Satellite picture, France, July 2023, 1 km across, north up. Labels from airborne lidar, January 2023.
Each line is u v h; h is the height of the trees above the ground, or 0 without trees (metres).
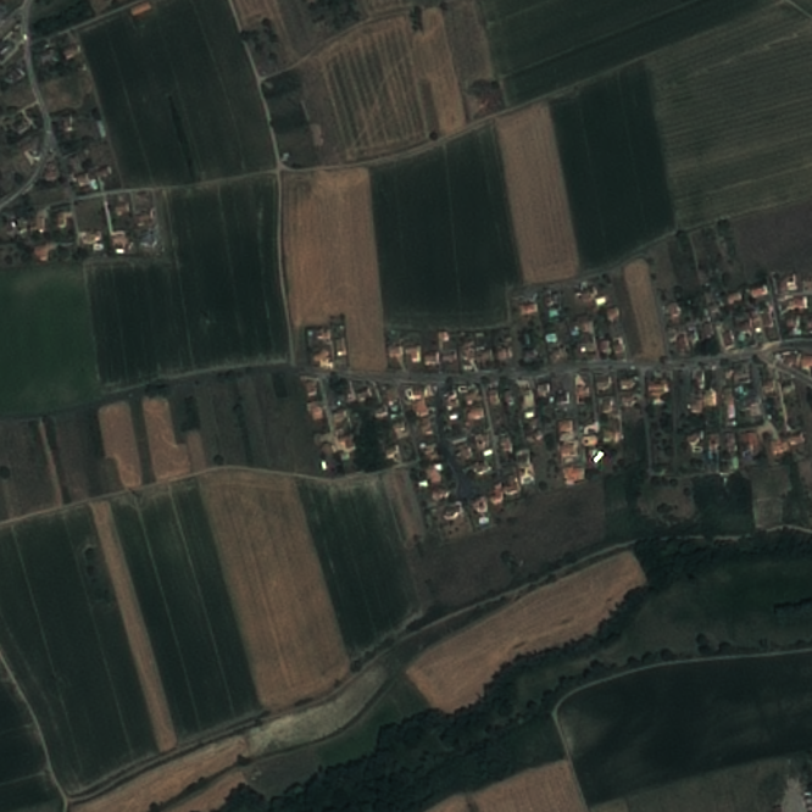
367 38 0
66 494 0
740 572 0
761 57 0
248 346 0
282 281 0
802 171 0
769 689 0
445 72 0
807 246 0
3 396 0
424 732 18
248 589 0
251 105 0
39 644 0
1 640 0
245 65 0
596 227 0
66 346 0
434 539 0
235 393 0
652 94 0
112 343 0
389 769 19
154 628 0
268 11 0
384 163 0
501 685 20
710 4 0
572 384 0
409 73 0
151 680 0
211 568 0
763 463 16
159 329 0
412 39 0
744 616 0
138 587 0
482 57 0
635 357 0
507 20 0
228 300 0
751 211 0
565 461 0
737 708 0
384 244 0
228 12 0
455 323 0
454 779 6
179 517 0
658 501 0
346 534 0
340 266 0
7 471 8
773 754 0
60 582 0
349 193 0
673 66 0
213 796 0
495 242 0
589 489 0
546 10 0
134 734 0
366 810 18
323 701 0
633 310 0
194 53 0
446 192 0
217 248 0
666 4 0
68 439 0
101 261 0
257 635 0
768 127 0
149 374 0
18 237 8
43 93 0
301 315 0
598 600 0
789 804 0
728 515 6
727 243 0
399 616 0
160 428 0
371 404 9
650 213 0
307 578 0
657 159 0
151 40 0
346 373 0
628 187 0
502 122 0
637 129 0
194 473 0
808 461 0
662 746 0
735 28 0
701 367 8
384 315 0
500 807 0
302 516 0
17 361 0
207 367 0
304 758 0
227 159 0
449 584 0
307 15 0
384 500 0
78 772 0
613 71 0
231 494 0
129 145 0
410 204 0
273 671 0
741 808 0
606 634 15
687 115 0
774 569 0
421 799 6
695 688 0
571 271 0
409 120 0
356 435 8
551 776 0
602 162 0
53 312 0
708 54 0
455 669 0
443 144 0
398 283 0
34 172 0
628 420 0
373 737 0
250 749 0
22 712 0
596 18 0
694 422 11
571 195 0
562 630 0
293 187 0
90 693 0
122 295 0
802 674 0
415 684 0
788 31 0
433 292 0
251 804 26
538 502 0
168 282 0
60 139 6
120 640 0
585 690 0
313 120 0
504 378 6
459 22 0
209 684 0
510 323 0
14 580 0
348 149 0
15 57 0
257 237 0
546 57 0
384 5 0
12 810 0
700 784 0
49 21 8
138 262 0
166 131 0
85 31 0
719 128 0
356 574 0
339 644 0
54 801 0
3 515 0
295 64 0
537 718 7
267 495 0
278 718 0
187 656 0
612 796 0
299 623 0
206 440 0
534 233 0
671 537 9
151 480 0
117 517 0
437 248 0
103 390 0
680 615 0
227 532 0
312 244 0
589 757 0
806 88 0
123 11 0
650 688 0
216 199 0
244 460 0
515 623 0
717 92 0
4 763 0
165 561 0
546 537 0
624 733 0
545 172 0
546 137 0
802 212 0
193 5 0
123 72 0
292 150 0
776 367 0
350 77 0
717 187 0
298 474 0
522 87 0
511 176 0
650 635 0
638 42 0
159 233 0
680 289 7
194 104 0
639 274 0
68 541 0
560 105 0
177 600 0
